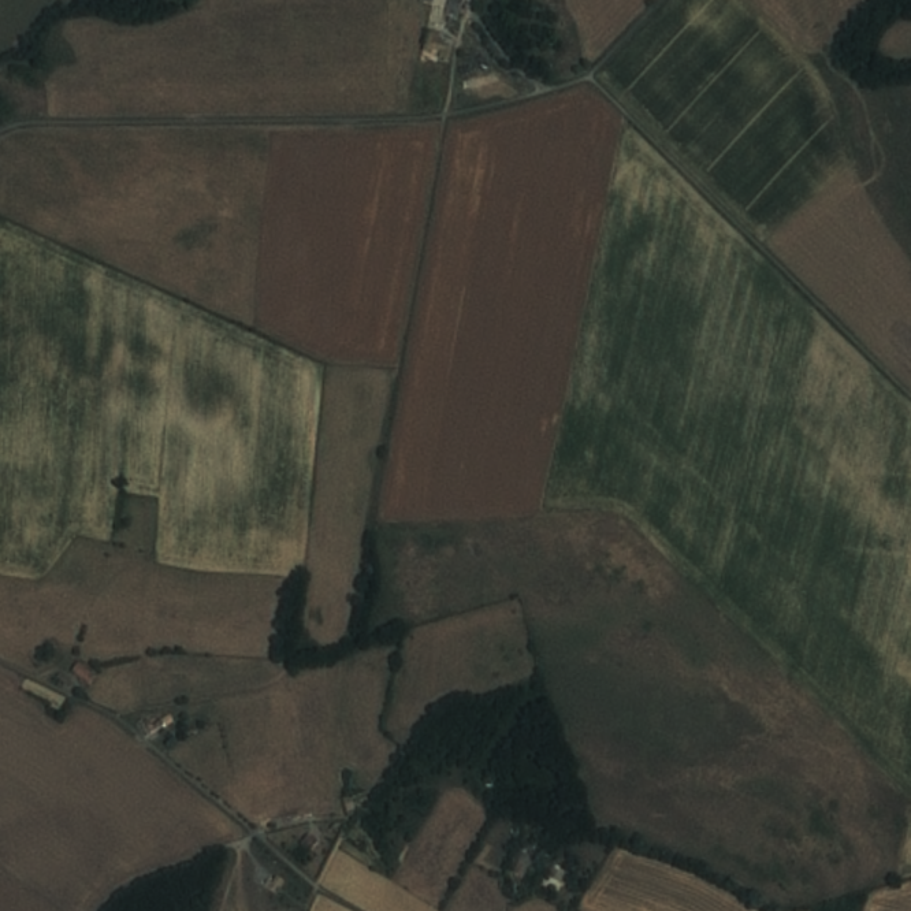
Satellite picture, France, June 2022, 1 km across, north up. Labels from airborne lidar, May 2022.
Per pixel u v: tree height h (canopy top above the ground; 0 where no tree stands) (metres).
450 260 0
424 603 0
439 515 0
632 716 0
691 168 0
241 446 0
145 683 0
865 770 0
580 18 0
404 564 0
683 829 0
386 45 0
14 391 0
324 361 0
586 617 0
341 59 0
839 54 18
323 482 0
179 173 0
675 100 0
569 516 0
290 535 0
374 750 0
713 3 0
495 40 11
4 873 0
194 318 0
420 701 0
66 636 0
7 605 0
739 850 0
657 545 0
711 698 0
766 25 0
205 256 0
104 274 0
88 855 0
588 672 0
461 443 0
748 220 0
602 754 0
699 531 0
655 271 0
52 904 0
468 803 0
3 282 0
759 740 0
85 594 0
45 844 0
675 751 0
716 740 0
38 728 0
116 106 0
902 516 0
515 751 20
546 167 0
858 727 0
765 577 0
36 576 0
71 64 0
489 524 0
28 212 0
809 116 0
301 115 0
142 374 0
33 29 10
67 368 0
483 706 11
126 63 0
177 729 8
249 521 0
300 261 0
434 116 0
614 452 0
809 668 0
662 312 0
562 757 21
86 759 0
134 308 0
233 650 0
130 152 0
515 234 0
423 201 0
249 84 0
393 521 0
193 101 0
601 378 0
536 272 0
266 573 0
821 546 0
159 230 0
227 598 0
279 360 0
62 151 0
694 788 0
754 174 0
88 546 0
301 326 0
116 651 0
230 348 0
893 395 0
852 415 0
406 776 8
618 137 0
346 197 0
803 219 0
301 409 0
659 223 0
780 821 0
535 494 0
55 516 0
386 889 0
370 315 0
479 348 0
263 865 0
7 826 0
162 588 0
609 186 0
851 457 0
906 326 0
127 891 12
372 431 0
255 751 0
